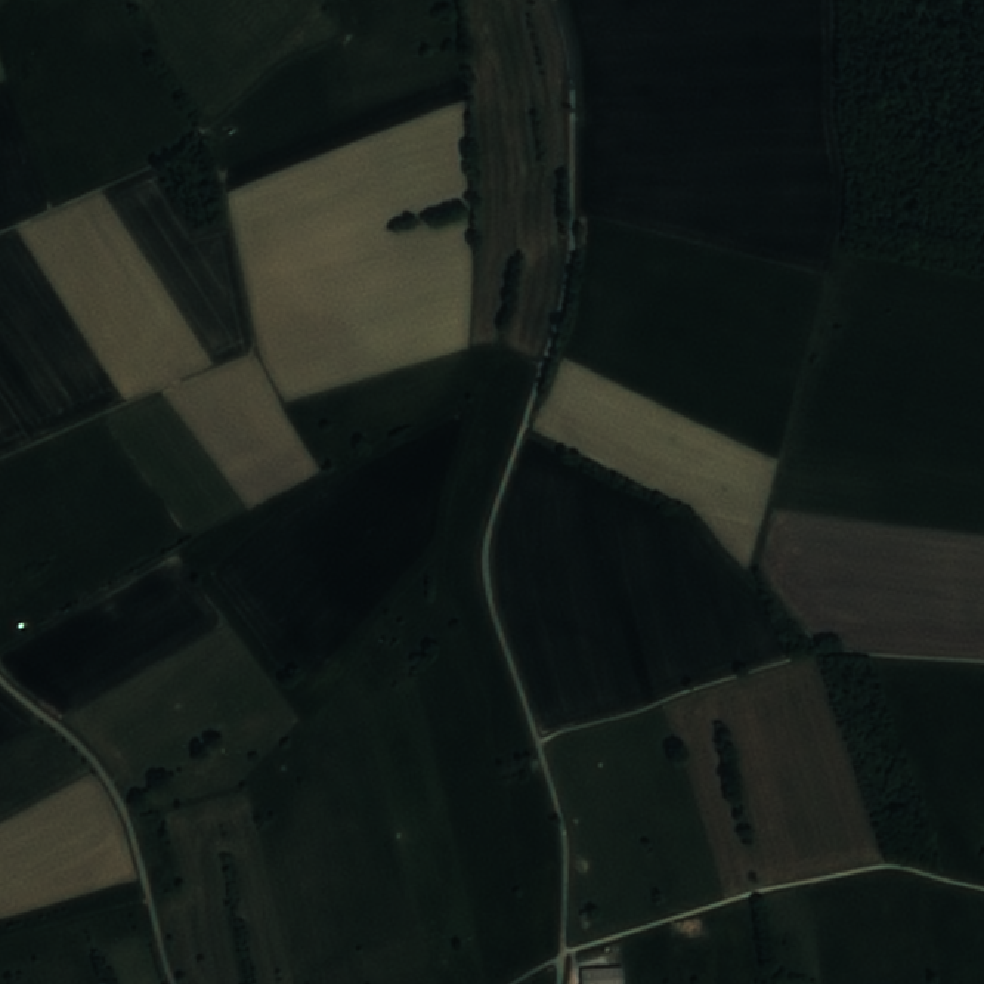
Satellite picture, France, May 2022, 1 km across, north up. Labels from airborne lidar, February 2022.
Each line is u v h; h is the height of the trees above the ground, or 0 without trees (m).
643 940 0
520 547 0
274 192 0
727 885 0
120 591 0
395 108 0
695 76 0
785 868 0
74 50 0
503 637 0
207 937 0
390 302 0
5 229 0
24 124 0
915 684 0
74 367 0
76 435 0
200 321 0
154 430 0
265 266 0
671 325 0
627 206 0
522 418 0
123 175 0
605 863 0
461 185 0
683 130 0
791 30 0
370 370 0
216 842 0
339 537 0
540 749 0
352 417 0
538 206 0
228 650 0
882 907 0
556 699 0
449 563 0
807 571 0
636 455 0
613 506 0
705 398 0
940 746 0
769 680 0
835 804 0
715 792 0
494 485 0
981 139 21
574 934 0
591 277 0
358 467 0
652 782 0
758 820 0
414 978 0
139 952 0
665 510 13
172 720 0
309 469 0
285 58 0
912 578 0
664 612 0
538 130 7
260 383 0
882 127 6
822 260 0
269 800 0
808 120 0
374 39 0
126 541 0
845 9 6
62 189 0
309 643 0
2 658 0
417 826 0
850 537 0
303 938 0
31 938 0
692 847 0
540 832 0
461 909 0
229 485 0
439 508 0
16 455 0
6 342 0
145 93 0
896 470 0
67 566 0
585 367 0
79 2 0
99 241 0
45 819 0
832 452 0
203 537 0
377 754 0
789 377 0
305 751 0
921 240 16
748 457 0
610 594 0
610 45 0
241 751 0
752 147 0
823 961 0
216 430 0
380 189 0
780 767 0
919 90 19
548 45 0
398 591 0
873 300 0
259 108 0
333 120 0
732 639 0
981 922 0
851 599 0
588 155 0
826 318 0
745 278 0
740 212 0
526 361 0
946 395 0
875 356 0
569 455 13
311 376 0
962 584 0
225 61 0
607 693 0
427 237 0
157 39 0
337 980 0
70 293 0
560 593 0
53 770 0
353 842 0
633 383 0
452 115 0
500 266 0
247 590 0
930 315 0
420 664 10
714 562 0
